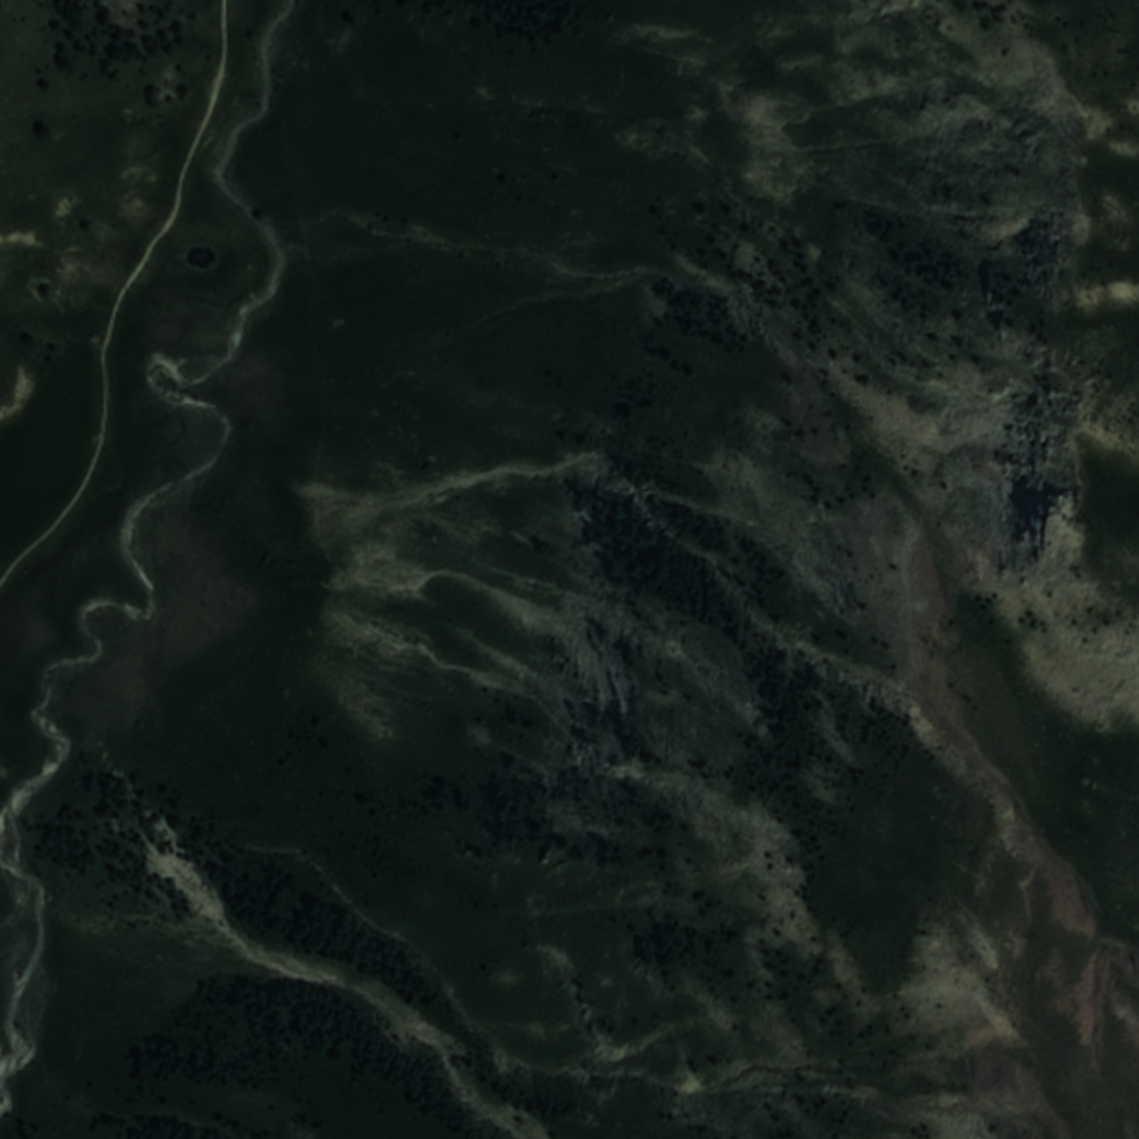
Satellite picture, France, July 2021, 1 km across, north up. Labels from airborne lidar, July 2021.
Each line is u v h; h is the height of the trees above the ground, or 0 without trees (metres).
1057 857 0
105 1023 0
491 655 0
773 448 0
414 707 0
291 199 0
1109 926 0
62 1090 0
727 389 0
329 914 18
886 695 0
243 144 0
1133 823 0
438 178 0
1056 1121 0
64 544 0
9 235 0
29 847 0
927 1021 0
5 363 0
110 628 0
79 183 0
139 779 8
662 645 0
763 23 0
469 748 0
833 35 0
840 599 0
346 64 0
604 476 0
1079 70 0
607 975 0
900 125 0
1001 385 0
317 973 0
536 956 0
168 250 0
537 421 0
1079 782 0
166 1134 14
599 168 0
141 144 0
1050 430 0
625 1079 0
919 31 0
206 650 0
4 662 0
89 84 0
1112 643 0
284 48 0
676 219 0
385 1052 12
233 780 0
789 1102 0
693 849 0
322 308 0
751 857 0
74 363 0
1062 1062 0
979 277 0
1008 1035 0
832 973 0
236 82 0
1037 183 0
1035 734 0
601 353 0
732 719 0
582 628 0
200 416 0
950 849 0
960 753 0
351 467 0
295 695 0
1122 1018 0
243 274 0
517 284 0
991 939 0
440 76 0
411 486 0
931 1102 0
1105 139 0
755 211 0
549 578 0
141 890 11
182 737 0
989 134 0
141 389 0
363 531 0
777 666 11
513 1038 0
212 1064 9
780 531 0
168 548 0
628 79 0
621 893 0
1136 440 0
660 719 0
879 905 0
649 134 0
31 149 0
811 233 0
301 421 0
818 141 0
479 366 0
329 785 0
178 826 16
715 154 0
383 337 0
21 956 0
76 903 0
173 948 0
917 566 0
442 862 0
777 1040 0
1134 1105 0
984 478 0
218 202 0
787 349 0
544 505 0
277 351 0
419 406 0
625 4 0
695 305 9
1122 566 0
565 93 0
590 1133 0
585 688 0
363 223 0
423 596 0
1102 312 0
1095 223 0
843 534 0
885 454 0
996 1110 0
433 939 0
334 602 0
